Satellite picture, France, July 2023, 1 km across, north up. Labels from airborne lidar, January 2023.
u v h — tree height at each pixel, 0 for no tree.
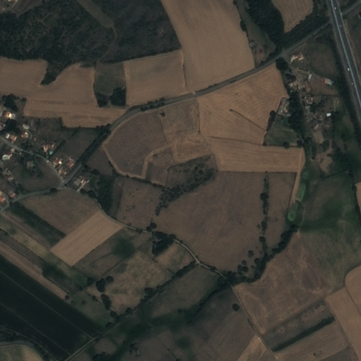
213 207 0
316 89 0
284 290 0
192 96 0
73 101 0
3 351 0
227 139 0
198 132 0
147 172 0
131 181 0
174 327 0
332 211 0
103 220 0
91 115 0
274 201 0
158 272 0
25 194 0
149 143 0
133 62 0
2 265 0
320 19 12
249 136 0
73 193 0
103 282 18
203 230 0
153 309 0
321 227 0
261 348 0
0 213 0
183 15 0
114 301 0
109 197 6
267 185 0
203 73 0
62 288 0
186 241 0
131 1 0
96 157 0
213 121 0
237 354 0
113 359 7
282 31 14
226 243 0
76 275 0
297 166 0
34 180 0
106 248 0
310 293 0
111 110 0
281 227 0
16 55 6
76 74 0
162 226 0
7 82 0
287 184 0
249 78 0
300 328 0
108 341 0
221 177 0
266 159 0
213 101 0
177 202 0
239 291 0
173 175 0
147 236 0
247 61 0
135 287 0
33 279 0
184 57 0
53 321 0
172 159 0
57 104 0
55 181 0
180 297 0
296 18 0
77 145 0
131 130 0
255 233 0
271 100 0
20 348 0
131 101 0
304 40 0
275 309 0
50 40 8
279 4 0
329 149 0
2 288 0
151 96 0
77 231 0
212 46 0
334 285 0
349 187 0
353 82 0
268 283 0
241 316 0
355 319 0
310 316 0
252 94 0
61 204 0
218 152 0
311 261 0
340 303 0
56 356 0
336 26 0
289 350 0
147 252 0
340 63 7
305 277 0
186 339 0
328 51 0
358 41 0
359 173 0
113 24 0
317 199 0
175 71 0
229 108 0
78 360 0
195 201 0
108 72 0
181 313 14
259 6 12
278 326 0
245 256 0
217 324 0
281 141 0
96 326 0
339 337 0
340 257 0
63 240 0
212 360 0
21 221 0
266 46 0
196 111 0
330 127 0
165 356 0
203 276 0
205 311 0
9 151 0
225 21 0
